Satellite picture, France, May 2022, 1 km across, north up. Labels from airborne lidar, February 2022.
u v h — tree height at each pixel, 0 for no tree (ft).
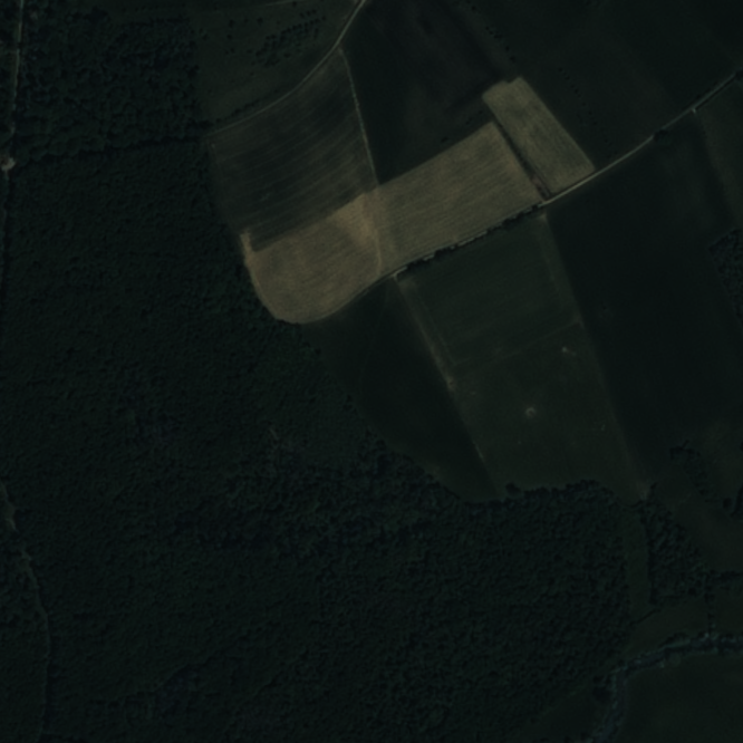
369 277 0
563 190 0
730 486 0
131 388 80
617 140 0
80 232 61
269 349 52
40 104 87
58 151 89
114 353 50
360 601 54
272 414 34
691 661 0
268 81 0
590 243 0
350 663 60
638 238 0
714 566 0
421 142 0
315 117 0
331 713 67
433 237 0
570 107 0
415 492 69
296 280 0
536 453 0
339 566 87
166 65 96
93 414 66
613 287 0
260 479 24
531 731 0
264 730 82
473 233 0
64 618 79
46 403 62
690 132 0
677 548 79
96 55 91
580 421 0
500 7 0
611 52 0
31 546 79
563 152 0
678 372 0
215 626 86
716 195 0
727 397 0
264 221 0
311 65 0
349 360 0
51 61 96
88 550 86
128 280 62
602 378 0
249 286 57
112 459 73
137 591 82
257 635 86
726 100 0
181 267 59
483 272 0
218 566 77
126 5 0
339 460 51
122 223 50
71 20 87
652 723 0
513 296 0
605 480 0
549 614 73
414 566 22
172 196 73
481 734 65
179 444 74
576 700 0
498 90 0
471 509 68
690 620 0
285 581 89
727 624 0
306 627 79
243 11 0
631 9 0
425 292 0
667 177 0
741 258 59
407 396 0
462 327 0
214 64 0
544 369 0
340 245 0
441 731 78
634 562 0
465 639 68
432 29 0
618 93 0
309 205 0
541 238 0
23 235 65
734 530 0
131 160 78
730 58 0
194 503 61
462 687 69
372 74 0
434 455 0
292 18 0
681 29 0
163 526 91
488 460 0
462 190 0
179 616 78
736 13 0
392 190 0
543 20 0
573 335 0
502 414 0
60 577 89
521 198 0
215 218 52
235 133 0
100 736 94
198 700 92
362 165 0
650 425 0
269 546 86
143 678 91
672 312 0
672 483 0
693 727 0
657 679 0
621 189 0
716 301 0
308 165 0
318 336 0
